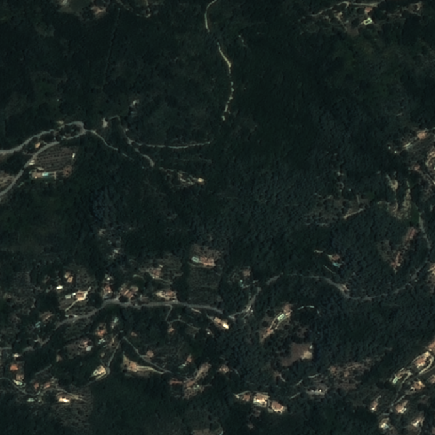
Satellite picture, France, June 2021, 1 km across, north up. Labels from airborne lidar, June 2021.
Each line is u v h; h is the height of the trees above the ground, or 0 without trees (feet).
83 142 50
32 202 32
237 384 50
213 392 54
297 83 39
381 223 73
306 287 82
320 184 63
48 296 47
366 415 57
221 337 66
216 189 33
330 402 62
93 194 44
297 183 42
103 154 34
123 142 30
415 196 42
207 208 42
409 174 35
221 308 75
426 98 51
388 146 32
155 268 39
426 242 82
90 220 52
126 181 22
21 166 36
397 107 19
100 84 31
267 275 48
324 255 44
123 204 40
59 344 38
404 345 68
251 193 58
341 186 39
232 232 30
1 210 38
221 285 43
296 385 61
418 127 23
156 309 19
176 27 28
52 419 20
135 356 21
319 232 41
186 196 25
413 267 72
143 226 27
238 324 56
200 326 30
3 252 36
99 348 26
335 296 56
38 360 48
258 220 60
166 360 21
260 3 54
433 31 51
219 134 30
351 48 38
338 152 52
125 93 34
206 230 40
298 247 43
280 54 66
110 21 26
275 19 35
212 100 31
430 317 74
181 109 41
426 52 30
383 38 26
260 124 40
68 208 32
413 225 58
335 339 71
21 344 51
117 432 25
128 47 39
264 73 29
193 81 38
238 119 25
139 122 30
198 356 20
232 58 29
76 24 39
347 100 23
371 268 74
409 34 56
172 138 24
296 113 33
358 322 55
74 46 49
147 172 31
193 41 23
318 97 61
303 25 22
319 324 65
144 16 28
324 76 60
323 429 35
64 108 55
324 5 35
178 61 27
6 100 36
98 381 20
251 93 48
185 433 27
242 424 56
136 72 19
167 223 26
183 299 57
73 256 21
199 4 27
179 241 26
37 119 46
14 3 26
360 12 40
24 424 29
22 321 30
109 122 52
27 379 47
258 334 53
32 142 34
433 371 0
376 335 68
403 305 59
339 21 24
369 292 61
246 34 46
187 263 39
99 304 55
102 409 58
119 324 20
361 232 76
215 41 51
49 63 32
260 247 51
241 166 62
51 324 29
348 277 88
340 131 70
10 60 63
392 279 63
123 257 65
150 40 26
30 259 20
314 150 73
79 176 42
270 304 84
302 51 46
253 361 47
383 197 37
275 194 58
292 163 43
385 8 47
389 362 69
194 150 37
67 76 26
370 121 29
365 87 44
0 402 22
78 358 40
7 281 23
